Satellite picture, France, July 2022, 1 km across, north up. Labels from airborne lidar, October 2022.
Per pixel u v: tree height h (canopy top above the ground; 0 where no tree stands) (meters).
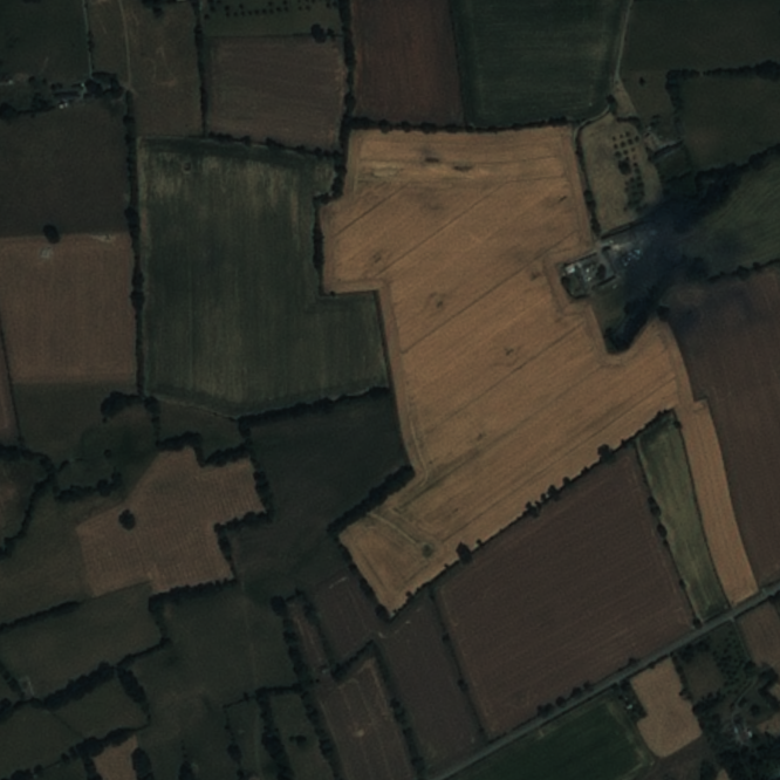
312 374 0
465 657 0
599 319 0
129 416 0
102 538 0
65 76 0
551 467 0
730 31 0
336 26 0
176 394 0
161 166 0
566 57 0
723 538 0
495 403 0
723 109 0
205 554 0
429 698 0
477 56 0
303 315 0
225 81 0
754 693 0
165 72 0
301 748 9
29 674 0
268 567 0
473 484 0
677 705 0
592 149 0
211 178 0
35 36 0
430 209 0
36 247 0
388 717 0
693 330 0
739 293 0
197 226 0
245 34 0
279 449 0
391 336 0
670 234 0
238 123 0
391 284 0
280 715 0
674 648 0
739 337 0
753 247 0
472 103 0
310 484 0
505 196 0
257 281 0
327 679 0
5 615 0
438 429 0
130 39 0
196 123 0
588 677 0
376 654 7
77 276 0
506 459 0
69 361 0
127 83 0
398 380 0
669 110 0
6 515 0
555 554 0
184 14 0
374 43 0
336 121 0
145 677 0
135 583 0
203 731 0
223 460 16
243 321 0
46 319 0
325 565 0
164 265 0
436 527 0
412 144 0
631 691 15
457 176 0
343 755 0
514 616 0
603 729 0
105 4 0
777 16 0
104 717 0
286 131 0
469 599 0
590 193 9
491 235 0
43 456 6
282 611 21
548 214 0
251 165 0
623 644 0
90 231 0
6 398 0
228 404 0
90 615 0
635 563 0
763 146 0
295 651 14
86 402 0
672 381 0
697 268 6
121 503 0
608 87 0
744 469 0
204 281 0
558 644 0
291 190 0
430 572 0
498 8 0
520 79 0
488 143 0
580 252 0
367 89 0
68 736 0
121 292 0
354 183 0
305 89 0
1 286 0
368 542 0
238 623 0
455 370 0
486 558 0
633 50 0
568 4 0
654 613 0
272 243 0
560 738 0
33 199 0
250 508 0
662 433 0
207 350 0
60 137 0
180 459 0
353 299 0
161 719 0
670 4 0
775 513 0
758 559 0
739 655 6
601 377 0
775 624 0
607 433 0
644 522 0
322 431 0
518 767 0
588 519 0
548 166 0
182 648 0
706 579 0
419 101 0
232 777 0
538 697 0
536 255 0
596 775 0
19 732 0
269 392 0
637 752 0
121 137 0
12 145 0
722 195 28
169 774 0
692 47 0
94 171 0
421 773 19
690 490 0
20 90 0
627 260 0
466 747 0
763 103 0
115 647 0
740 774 12
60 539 0
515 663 0
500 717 0
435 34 0
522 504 0
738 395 0
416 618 0
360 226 0
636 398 0
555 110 0
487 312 0
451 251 0
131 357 0
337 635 0
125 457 0
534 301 0
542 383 0
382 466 0
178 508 0
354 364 0
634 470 0
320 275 0
